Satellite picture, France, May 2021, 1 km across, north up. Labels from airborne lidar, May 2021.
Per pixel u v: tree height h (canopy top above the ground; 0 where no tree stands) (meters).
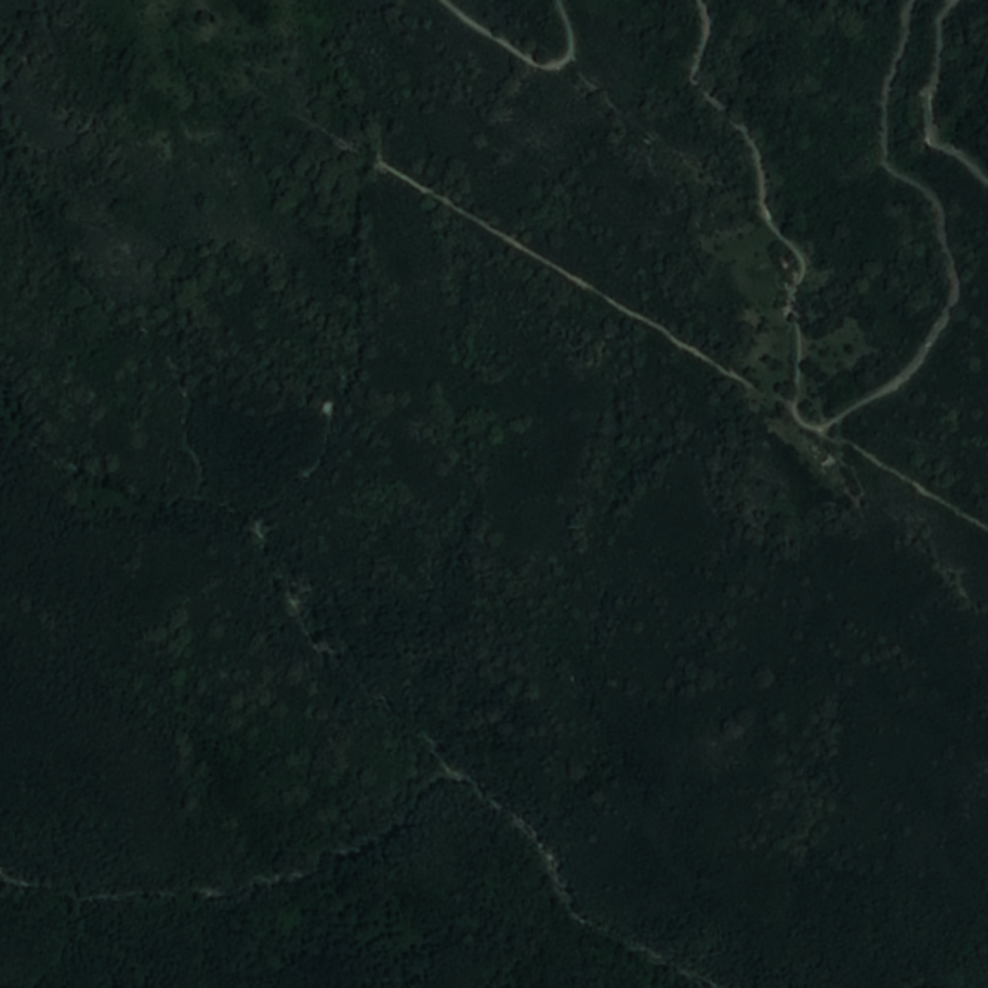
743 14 11
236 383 13
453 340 7
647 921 11
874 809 6
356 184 21
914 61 8
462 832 13
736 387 13
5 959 6
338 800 12
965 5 6
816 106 9
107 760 6
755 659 6
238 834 10
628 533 7
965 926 7
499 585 7
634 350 12
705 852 6
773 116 10
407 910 9
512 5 6
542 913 9
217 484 6
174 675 18
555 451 6
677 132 7
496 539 11
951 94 12
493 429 13
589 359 12
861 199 11
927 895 7
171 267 13
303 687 7
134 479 6
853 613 6
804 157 8
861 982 19
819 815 12
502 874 8
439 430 11
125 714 10
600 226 8
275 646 13
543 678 6
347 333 15
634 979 6
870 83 9
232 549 9
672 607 6
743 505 10
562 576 7
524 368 10
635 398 13
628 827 8
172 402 6
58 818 7
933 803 6
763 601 6
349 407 9
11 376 20
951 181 6
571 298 15
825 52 11
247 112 11
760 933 6
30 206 13
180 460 6
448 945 10
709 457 11
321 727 6
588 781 14
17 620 9
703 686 13
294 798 16
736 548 6
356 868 21
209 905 11
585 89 7
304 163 15
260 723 7
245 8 7
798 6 14
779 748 7
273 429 8
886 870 9
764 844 6
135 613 8
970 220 7
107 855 8
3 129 10
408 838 17
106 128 13
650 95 10
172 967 9
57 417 6
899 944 10
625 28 11
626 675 6
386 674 9
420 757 18
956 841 6
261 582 15
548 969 8
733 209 9
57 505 13
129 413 7
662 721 7
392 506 11
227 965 7
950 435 5
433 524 8
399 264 5
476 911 7
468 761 13
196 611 6
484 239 7
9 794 6
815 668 7
